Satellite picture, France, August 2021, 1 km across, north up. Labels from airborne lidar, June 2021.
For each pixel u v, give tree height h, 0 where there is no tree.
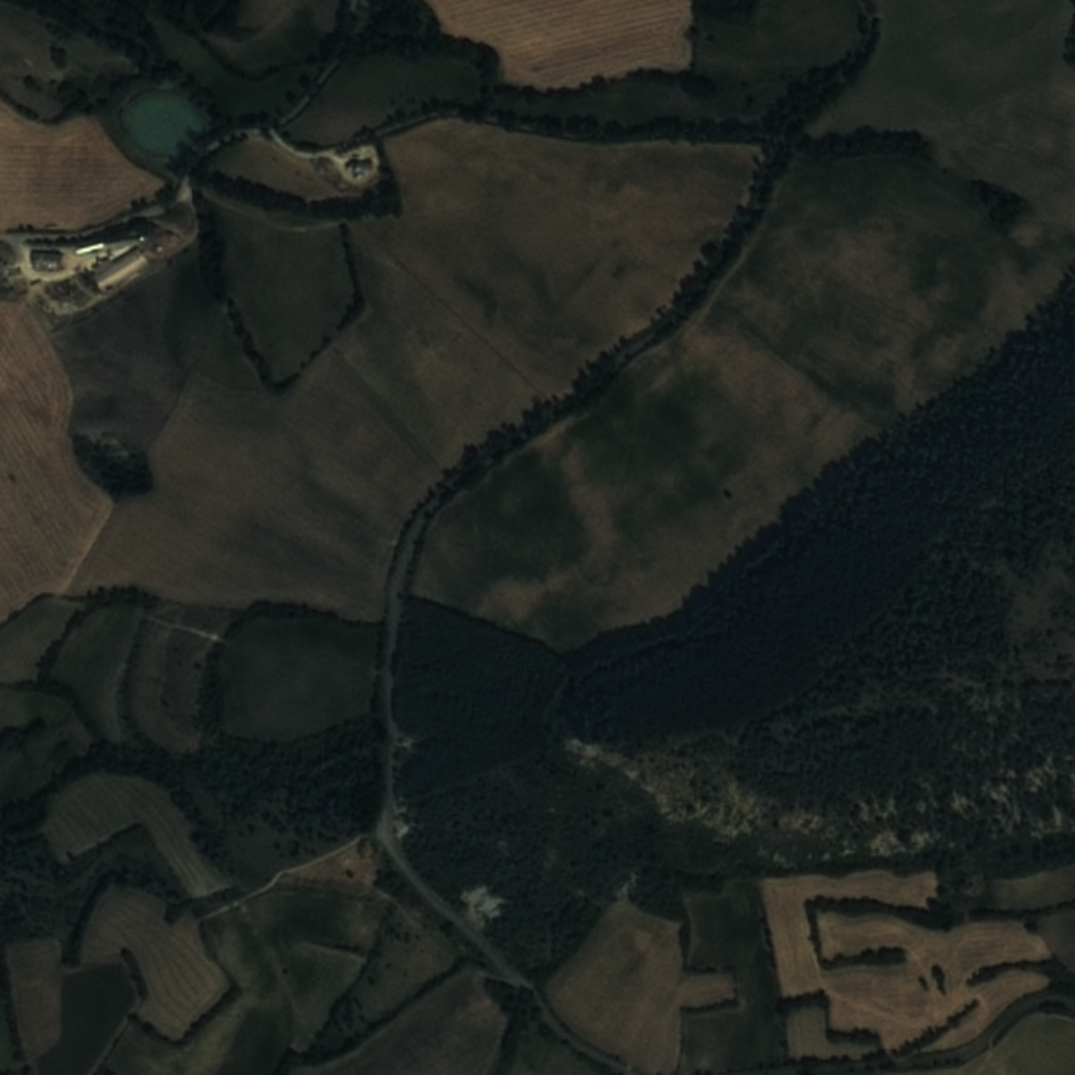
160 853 0
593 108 0
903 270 0
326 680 0
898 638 17
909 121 0
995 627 16
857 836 12
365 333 0
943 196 0
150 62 16
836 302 0
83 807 0
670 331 9
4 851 6
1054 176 0
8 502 0
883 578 21
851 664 12
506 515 0
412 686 10
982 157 0
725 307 0
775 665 19
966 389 11
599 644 0
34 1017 0
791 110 11
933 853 8
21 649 0
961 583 15
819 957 7
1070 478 14
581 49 0
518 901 6
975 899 0
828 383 0
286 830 10
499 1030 0
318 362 0
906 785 12
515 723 16
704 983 0
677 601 0
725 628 20
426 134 0
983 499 10
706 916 0
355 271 8
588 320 0
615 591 0
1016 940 0
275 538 0
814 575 20
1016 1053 0
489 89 12
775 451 0
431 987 7
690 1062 0
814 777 10
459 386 0
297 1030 0
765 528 0
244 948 0
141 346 0
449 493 11
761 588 22
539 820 6
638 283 0
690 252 0
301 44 0
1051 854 13
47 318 0
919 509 16
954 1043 0
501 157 0
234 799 7
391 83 0
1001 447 16
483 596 0
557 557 0
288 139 10
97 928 0
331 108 0
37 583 0
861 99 0
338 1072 0
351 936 0
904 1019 0
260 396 0
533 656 15
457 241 0
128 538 0
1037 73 0
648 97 0
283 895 0
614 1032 0
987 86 0
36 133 0
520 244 0
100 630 0
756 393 0
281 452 0
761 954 0
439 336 0
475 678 11
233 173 0
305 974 0
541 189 0
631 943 0
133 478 10
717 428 0
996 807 14
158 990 0
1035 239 0
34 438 0
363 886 0
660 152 0
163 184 0
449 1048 0
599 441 0
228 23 12
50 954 0
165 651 0
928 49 0
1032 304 0
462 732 15
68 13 15
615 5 0
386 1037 0
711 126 12
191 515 0
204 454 0
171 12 16
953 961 0
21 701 0
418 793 11
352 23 11
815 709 11
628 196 0
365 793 14
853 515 18
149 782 11
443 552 0
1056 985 7
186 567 0
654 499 0
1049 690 12
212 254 12
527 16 0
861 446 0
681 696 18
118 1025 0
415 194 0
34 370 0
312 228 0
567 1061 0
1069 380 14
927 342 0
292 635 0
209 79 0
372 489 0
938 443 10
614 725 12
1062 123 0
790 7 0
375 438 0
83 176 0
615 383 10
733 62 0
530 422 13
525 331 0
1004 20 0
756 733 10
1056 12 0
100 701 0
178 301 0
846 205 0
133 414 0
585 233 0
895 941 0
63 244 8
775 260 0
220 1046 0
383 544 0
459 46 11
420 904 0
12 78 0
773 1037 0
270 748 8
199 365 0
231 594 0
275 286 0
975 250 0
